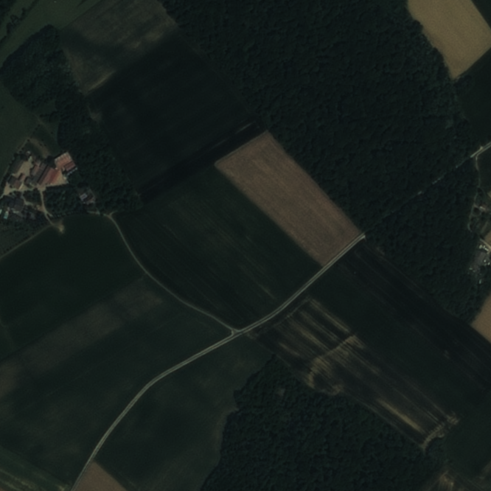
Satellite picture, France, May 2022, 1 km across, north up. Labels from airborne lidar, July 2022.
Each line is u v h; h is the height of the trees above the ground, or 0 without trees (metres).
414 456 20
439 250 23
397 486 25
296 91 29
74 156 14
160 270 0
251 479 16
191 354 0
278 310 0
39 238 0
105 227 0
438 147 27
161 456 0
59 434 0
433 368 0
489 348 0
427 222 27
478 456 0
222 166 0
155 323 0
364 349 0
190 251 0
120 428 0
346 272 0
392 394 0
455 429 0
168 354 0
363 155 28
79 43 0
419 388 0
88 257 0
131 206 17
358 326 0
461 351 0
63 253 0
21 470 0
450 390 0
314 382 0
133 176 0
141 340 0
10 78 21
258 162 0
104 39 0
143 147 0
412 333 0
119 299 0
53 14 0
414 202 23
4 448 0
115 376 0
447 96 27
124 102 0
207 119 0
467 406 0
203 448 0
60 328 0
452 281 24
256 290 0
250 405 12
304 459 23
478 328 0
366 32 18
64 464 0
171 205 0
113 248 0
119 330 0
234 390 0
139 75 0
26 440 0
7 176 9
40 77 17
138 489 0
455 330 0
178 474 0
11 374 0
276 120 23
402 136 26
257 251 0
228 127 0
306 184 0
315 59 22
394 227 27
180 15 26
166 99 0
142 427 0
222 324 0
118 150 0
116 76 0
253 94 22
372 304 0
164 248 0
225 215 0
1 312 0
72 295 0
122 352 0
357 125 28
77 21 0
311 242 0
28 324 0
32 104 19
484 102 0
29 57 28
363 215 21
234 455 18
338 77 31
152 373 0
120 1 0
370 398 0
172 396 0
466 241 26
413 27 26
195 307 0
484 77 0
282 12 25
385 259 0
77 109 15
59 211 13
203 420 0
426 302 0
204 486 10
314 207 0
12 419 0
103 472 0
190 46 0
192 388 0
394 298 0
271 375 10
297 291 0
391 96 29
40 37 21
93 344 0
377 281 0
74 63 0
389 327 0
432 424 0
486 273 11
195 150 0
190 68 0
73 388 0
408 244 28
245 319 0
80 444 0
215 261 0
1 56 0
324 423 27
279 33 18
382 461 24
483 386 0
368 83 29
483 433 0
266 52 26
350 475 26
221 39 25
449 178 27
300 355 0
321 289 0
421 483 26
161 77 0
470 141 12
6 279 0
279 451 30
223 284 0
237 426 25
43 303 0
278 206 0
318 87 28
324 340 0
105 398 0
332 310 0
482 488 0
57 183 0
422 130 31
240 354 0
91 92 0
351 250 0
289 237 0
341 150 27
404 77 26
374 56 29
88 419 0
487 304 0
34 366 0
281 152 0
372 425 22
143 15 0
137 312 0
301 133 24
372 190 29
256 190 0
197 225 0
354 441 23
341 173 26
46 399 0
